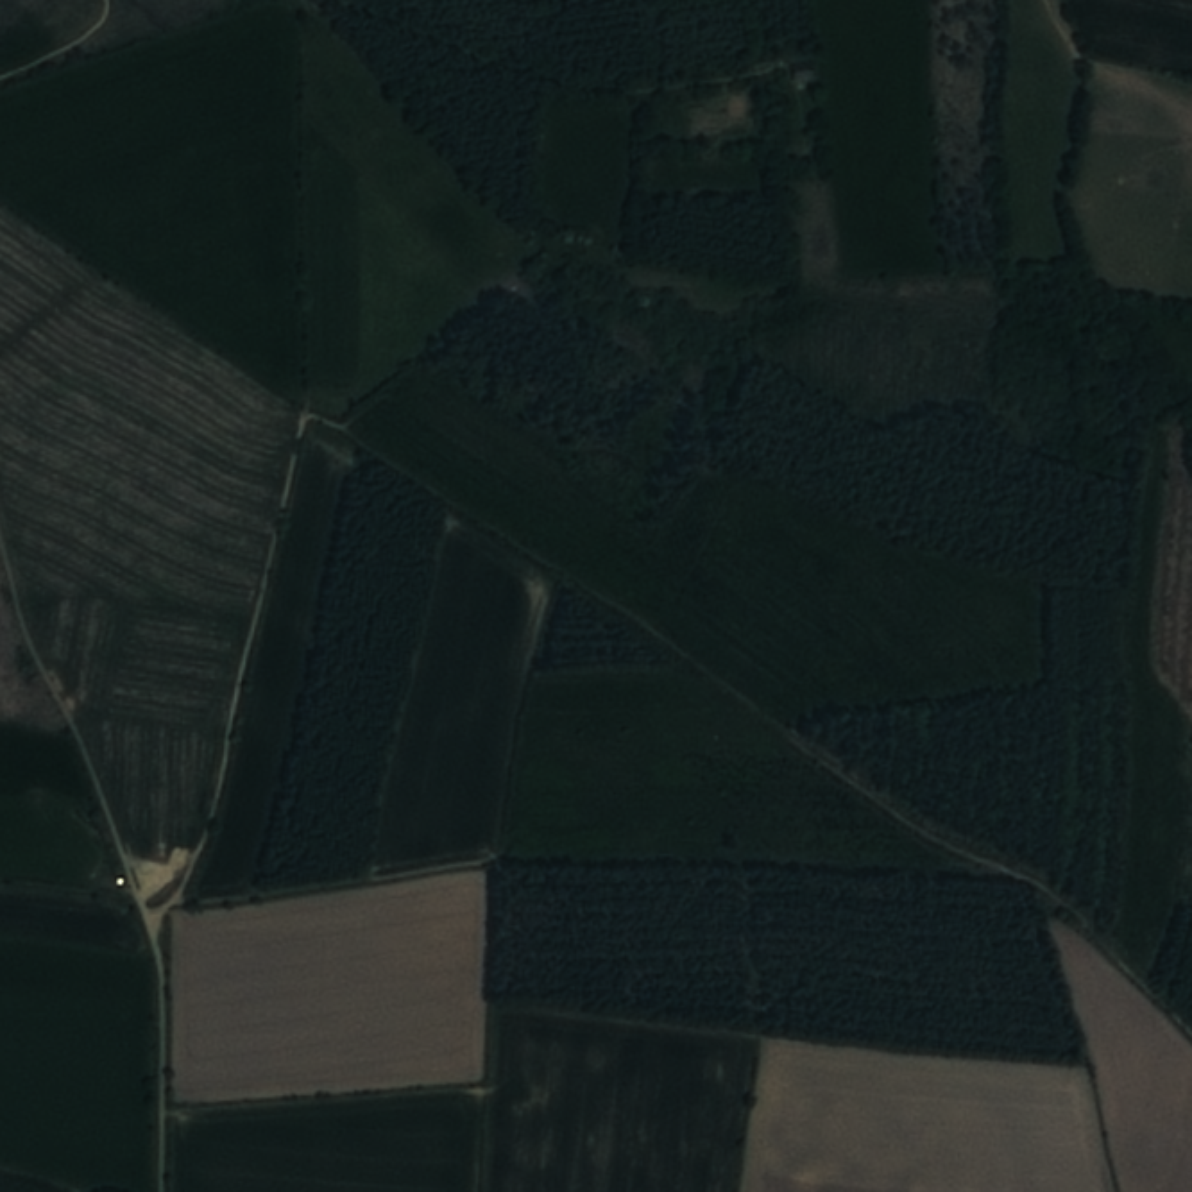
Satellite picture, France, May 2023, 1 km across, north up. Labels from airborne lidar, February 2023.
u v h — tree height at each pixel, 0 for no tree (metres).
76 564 0
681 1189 0
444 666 0
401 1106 0
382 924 0
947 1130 0
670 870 19
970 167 0
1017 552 23
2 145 0
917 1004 16
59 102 0
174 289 0
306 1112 0
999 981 23
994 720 22
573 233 7
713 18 17
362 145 0
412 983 0
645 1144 0
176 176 0
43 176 0
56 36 0
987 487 20
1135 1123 0
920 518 22
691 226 23
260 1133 0
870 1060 0
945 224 9
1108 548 18
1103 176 0
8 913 0
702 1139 0
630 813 0
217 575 0
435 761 0
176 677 0
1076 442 19
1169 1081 0
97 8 0
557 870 24
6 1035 0
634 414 21
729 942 19
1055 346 12
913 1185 0
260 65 0
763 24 20
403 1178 0
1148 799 0
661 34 16
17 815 0
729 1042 0
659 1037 0
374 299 0
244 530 0
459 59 20
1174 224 0
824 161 14
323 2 11
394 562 16
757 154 16
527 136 21
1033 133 0
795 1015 21
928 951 23
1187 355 0
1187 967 17
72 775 0
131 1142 0
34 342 0
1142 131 0
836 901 13
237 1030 0
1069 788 19
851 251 0
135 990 0
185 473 0
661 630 0
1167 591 16
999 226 14
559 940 20
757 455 21
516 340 25
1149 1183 0
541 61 23
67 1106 0
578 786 0
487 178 20
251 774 0
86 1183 0
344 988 0
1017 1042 17
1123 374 16
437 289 0
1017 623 0
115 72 0
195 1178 0
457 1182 0
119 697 0
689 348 7
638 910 22
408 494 21
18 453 0
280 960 0
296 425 0
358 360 0
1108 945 0
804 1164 0
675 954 19
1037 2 0
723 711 0
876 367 0
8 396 0
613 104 15
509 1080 0
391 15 13
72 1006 0
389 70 18
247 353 0
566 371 21
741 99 0
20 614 0
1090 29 0
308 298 9
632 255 14
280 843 15
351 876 14
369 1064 0
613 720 0
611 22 24
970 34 12
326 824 16
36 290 0
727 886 19
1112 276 0
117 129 0
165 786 0
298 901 0
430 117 23
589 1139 0
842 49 0
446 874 0
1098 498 21
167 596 0
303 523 0
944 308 0
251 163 0
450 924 0
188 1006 0
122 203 0
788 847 0
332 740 18
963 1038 19
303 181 9
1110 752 19
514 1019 0
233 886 0
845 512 21
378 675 19
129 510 0
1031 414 7
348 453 0
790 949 22
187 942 0
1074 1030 24
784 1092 0
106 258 0
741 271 23
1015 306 9
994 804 20
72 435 0
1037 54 0
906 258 0
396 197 0
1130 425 12
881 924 19
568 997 22
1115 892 17
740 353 16
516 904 24
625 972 13
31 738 0
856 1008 17
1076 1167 0
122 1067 0
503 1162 0
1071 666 18
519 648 0
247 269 0
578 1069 0
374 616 19
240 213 0
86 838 0
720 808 0
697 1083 0
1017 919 23
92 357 0
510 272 0
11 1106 0
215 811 0
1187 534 11
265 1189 0
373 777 19
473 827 0
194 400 0
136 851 0
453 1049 0
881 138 0
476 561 0
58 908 0
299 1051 0
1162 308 13
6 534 0
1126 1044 0
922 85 0
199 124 0
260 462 0
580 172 0
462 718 0
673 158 12
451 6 15
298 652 0
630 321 7
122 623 0
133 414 0
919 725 17
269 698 0
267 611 0
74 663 0
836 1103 0
